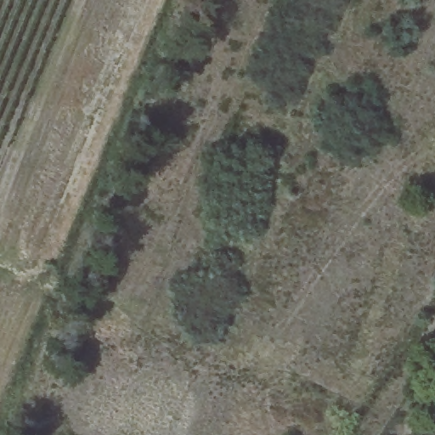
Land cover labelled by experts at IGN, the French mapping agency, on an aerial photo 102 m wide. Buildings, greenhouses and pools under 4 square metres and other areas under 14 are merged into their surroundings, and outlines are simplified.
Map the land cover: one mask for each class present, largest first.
<instances>
[{"label":"herbaceous vegetation","instance_id":"1","mask_svg":"<svg viewBox=\"0 0 435 435\"><path fill-rule=\"evenodd\" d=\"M165 0H73L37 88L36 97L29 105V112L25 117L24 126L20 129L17 143L15 146L2 144L0 148V399L5 386L10 382L20 352L24 350L25 340L31 331L32 323L36 321L41 302L48 304L49 291H53L58 285V279L56 268L46 263V260L58 257L59 251L65 246L66 236L75 221L83 195L87 192L95 168L99 165L100 153L104 150L110 127L119 116L129 78L138 66L141 53L148 42L151 29L155 27L156 17L160 14ZM270 10L267 3H258L257 0H240L236 15L240 17L241 27L231 29L223 41L214 44L212 49L207 48L206 53L211 56V63L202 73H195L194 80L185 82L178 92L175 100H184L192 105L194 114L187 119V124H197L199 129L189 148L177 153L163 172L155 173L150 178L146 195L144 202L156 214H163L165 221L144 234L141 240L143 250L131 253L124 279L117 285V291L109 294V301H112L114 308L95 323V338L100 342L99 367L75 387L66 386L63 379L54 377L44 367V355L49 357L48 343L41 342V350L34 360V374L25 387L24 396L29 399V403L22 404V411L15 415L14 420L8 421L5 425V435H410L411 428L403 425L406 416L403 401V387L406 384L404 379L398 377L389 382L372 410H367L364 403L374 389L372 369L377 364L379 347L389 343L391 336L410 333L411 328L415 326L413 316H418L421 309L432 302L435 292V209L427 212L425 216H415L399 206V195L411 175L435 172V0H427V12L432 14L430 27L423 32L420 44L413 53L399 56L398 59L391 58L381 44L370 42L369 39L353 32V8H345L342 22L330 36L333 51L316 61L314 73L309 76L306 93L299 102L287 104L285 112H280L274 97L258 83L253 82L250 76H245L243 70L251 56L253 44L258 41L260 32L267 24ZM353 73H379L384 87L389 90L387 107L391 110V116L399 114L406 119L403 139L394 146H384L376 160L362 156V167H350V170L343 168L342 165H336L335 161L326 156L318 155V165L297 177V184L301 185L297 194H291L289 187L277 178V202L270 216V226L267 233L258 236L260 245L253 246V250L245 253L243 274L250 280V296H246L245 302L234 311V323L233 326H229L226 342L217 345L202 343L199 348H190L194 345V338L184 326H180L182 313L173 309L170 280L177 270L194 265L195 251L201 248V240H204V236L197 228L199 217L194 214L195 209L199 207L195 189H199L197 180L202 175V151L206 150V146H211L212 141L221 139L224 126L236 114L240 104H246L248 109L245 112V121L248 126L263 124L289 139L284 155L280 158V172H294L302 165L308 151H316L318 146V138L314 136L311 127H314L313 121L316 119L319 100H325L330 95V83L345 82Z\"/></svg>","mask_w":435,"mask_h":435},{"label":"brushwood","instance_id":"2","mask_svg":"<svg viewBox=\"0 0 435 435\"><path fill-rule=\"evenodd\" d=\"M185 0H165L160 14L156 17L155 27L151 29L148 42L141 53L138 66L129 78L119 116L110 127L104 150L100 153L99 165L95 168L87 192L83 195L75 221L66 236L65 246L59 251L58 257L46 260V263L56 268L58 279L65 270L71 277L83 267V255L92 246L93 234L97 231L112 233L116 229L114 219L102 214L105 204L110 201L112 195L131 199V195L138 192H144L146 195L150 178L138 173L136 168L127 167L117 158L116 144L121 141L122 134L133 127L134 122H139L144 116L146 105L160 104L167 99L175 100L178 92L172 90L173 82L167 80L165 66L158 63L161 58H177L175 24L182 19L180 5ZM258 3H267L270 10L267 24L260 32L258 41L253 44L251 56L243 70L245 76H250L253 82L258 83L274 97L280 112H285L287 104L299 102L306 93L309 76L314 73L316 61L333 51L330 36L342 22L345 8H353V32L369 39L370 42L381 44L391 58L398 59L399 56L413 53L420 44L423 32L430 27L432 14L427 12V0H257ZM330 95L325 100H319L316 119L313 121L314 127H311L314 136L318 138V146L316 151H308L302 165L294 172H280V158L284 155L289 139L263 124L248 126L245 121V112L248 109L246 104H240L236 114L224 126L221 139L212 141L211 146H206V150L202 151V175L197 180L199 189H195L199 207L195 209L194 214L199 217L197 228L204 236V240H201V248L195 251L194 265L177 270L170 280L173 309L182 313L180 326H184L194 338V345L190 348H199L202 343L217 345L226 342L229 326H233L234 323V311L245 302L246 296H250V280L243 274L245 253L253 250V246L260 245L258 236L267 233L270 226V216L277 202V178L289 187L291 194H297L301 185L297 184V177L318 165V155L326 156L335 161L336 165H342L343 168L350 170V167H362V156L376 160L384 146H394L403 139L406 119L399 114L391 116V110L387 107L389 90L384 87L379 73H353L345 82L330 83ZM415 326L411 328L410 333L391 336L389 343L379 347L377 364L372 369L374 389L364 403L367 410H372L389 382L398 377L404 379L406 384L403 387V401L406 416L403 425L411 428L410 435H435V292L432 302L421 309L418 316H413ZM66 325L61 319L53 318V314L48 311V304L41 302L36 321L32 323L31 331L25 340L24 350L20 352L10 382L5 386L0 399V435H5V425L8 421L14 420L15 415L22 411V404L29 403V399L24 396L25 387L34 374V360L41 350V342L48 343L51 336L58 335Z\"/></svg>","mask_w":435,"mask_h":435},{"label":"deciduous trees","instance_id":"3","mask_svg":"<svg viewBox=\"0 0 435 435\"><path fill-rule=\"evenodd\" d=\"M240 0H185L180 5L182 19L175 24L177 58H161L158 63L165 66L167 80L173 82L172 90L178 92L185 82L194 80L195 73H202L211 63V56L206 53L207 48L212 49L214 44L223 41L231 29L241 27L240 17L236 15ZM194 114L192 105L184 100H175L167 99L160 104L146 105L144 116L139 122H134L133 127L122 134L121 141L116 144L117 158L127 167L136 168L138 173L150 178L155 173L163 172L177 153L189 148L199 129L197 124H187V119ZM399 206L415 216H425L427 212L435 209V172L411 175L399 195ZM146 195L144 192H138L131 195V199L112 195L110 201L105 204L102 214L114 219L116 229L112 233L97 231L93 234L92 246L83 255V267L71 277L65 270L58 279V285L53 291H49L48 304V311L53 314V318L61 319L66 325L58 335L51 336L48 343L49 357L44 355V367L54 377L63 379L66 386L75 387L99 367L100 342L95 338V323L114 308L112 301H109V294L117 291V285L124 279L131 253L143 250L141 240L144 234L165 221L163 214H156L144 202Z\"/></svg>","mask_w":435,"mask_h":435},{"label":"vineyard","instance_id":"4","mask_svg":"<svg viewBox=\"0 0 435 435\"><path fill-rule=\"evenodd\" d=\"M73 0H0V148L2 144L15 146L17 143L20 129L24 126L25 117L29 112V105L36 97L37 88Z\"/></svg>","mask_w":435,"mask_h":435}]
</instances>
